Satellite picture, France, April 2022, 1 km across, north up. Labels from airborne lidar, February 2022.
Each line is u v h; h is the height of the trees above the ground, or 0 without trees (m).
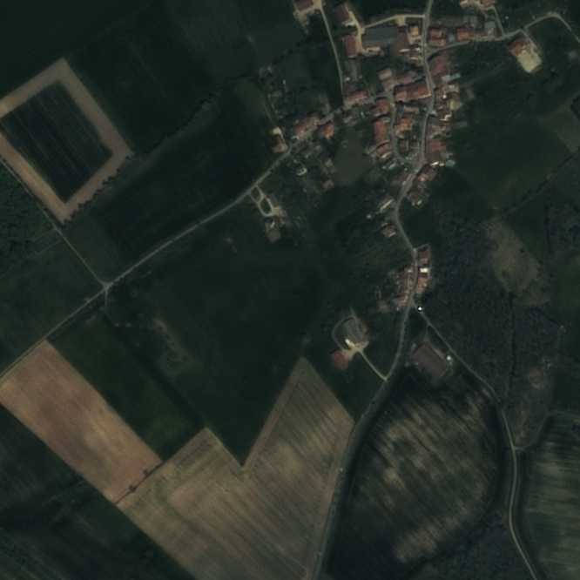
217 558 0
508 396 0
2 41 0
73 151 0
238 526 0
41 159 0
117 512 0
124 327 0
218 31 0
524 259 0
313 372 0
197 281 0
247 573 0
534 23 0
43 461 0
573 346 0
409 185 0
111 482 0
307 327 0
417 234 0
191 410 0
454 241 10
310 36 0
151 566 0
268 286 0
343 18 0
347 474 0
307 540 0
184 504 0
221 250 0
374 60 6
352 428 0
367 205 15
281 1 0
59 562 0
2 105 0
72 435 0
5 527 0
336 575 0
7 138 0
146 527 0
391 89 0
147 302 0
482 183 0
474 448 0
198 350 0
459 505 0
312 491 0
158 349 0
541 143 0
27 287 0
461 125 0
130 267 0
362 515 0
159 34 0
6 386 0
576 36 9
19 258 19
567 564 0
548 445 0
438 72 0
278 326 0
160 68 0
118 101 0
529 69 0
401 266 0
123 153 0
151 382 0
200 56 0
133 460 0
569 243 8
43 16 0
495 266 0
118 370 0
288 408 0
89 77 0
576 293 0
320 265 0
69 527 0
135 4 0
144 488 0
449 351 0
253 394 0
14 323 0
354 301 0
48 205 0
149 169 0
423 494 0
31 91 0
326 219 0
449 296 0
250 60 0
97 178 0
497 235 0
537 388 0
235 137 0
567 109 0
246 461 0
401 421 0
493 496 0
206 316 0
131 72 0
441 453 0
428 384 0
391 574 0
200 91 0
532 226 0
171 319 0
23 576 0
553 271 0
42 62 0
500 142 0
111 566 0
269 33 0
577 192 0
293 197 10
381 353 0
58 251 0
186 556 0
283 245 0
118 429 0
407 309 0
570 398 0
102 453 0
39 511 0
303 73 0
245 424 0
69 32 0
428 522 0
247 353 0
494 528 23
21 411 0
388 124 0
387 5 0
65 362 0
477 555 33
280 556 0
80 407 0
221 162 0
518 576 20
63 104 0
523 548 0
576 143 0
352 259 0
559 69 0
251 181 0
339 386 0
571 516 0
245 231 0
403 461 0
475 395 0
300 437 0
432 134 0
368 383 0
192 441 0
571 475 0
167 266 0
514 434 0
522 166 0
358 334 0
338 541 0
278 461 0
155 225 0
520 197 0
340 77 0
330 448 0
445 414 0
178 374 0
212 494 0
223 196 0
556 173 6
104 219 0
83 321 0
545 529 0
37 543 0
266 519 0
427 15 0
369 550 0
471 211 0
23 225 19
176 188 0
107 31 0
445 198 0
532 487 0
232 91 0
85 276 0
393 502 0
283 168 0
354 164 0
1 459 0
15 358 0
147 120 0
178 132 11
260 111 0
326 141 0
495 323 0
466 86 0
